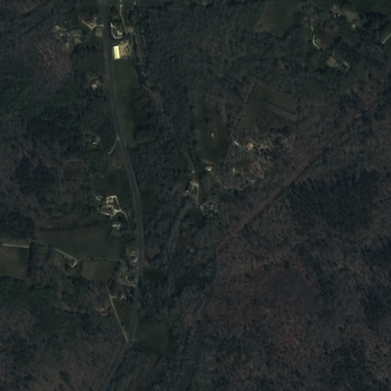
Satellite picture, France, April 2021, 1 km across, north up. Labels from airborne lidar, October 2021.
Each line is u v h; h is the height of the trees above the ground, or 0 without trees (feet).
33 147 47
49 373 49
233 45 77
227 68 69
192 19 74
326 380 45
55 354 57
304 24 43
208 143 0
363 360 42
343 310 42
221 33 83
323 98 59
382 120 73
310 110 67
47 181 88
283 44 76
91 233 0
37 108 44
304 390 79
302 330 28
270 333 19
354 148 75
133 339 0
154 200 0
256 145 24
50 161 57
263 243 31
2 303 36
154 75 56
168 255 76
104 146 69
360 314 37
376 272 68
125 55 0
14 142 68
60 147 55
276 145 44
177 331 80
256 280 20
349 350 40
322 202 83
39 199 69
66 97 60
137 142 0
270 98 0
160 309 19
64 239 0
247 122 0
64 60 71
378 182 77
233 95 70
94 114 68
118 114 0
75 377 55
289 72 72
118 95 0
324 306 40
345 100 72
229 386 85
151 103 52
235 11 90
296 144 48
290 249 56
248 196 43
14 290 73
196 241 68
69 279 34
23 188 74
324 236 38
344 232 92
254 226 36
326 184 31
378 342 28
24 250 0
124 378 80
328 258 42
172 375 67
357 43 0
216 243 43
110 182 0
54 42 72
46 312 54
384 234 76
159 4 0
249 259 33
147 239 52
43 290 68
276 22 0
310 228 82
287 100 0
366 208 87
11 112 32
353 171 38
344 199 82
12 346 67
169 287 91
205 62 46
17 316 58
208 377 63
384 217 71
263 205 48
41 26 67
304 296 18
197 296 68
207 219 38
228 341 26
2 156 45
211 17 60
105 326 67
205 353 49
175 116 33
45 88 42
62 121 58
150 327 0
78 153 68
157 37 50
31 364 63
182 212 66
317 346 26
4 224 79
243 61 55
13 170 38
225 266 55
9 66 34
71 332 45
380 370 32
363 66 47
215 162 0
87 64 50
